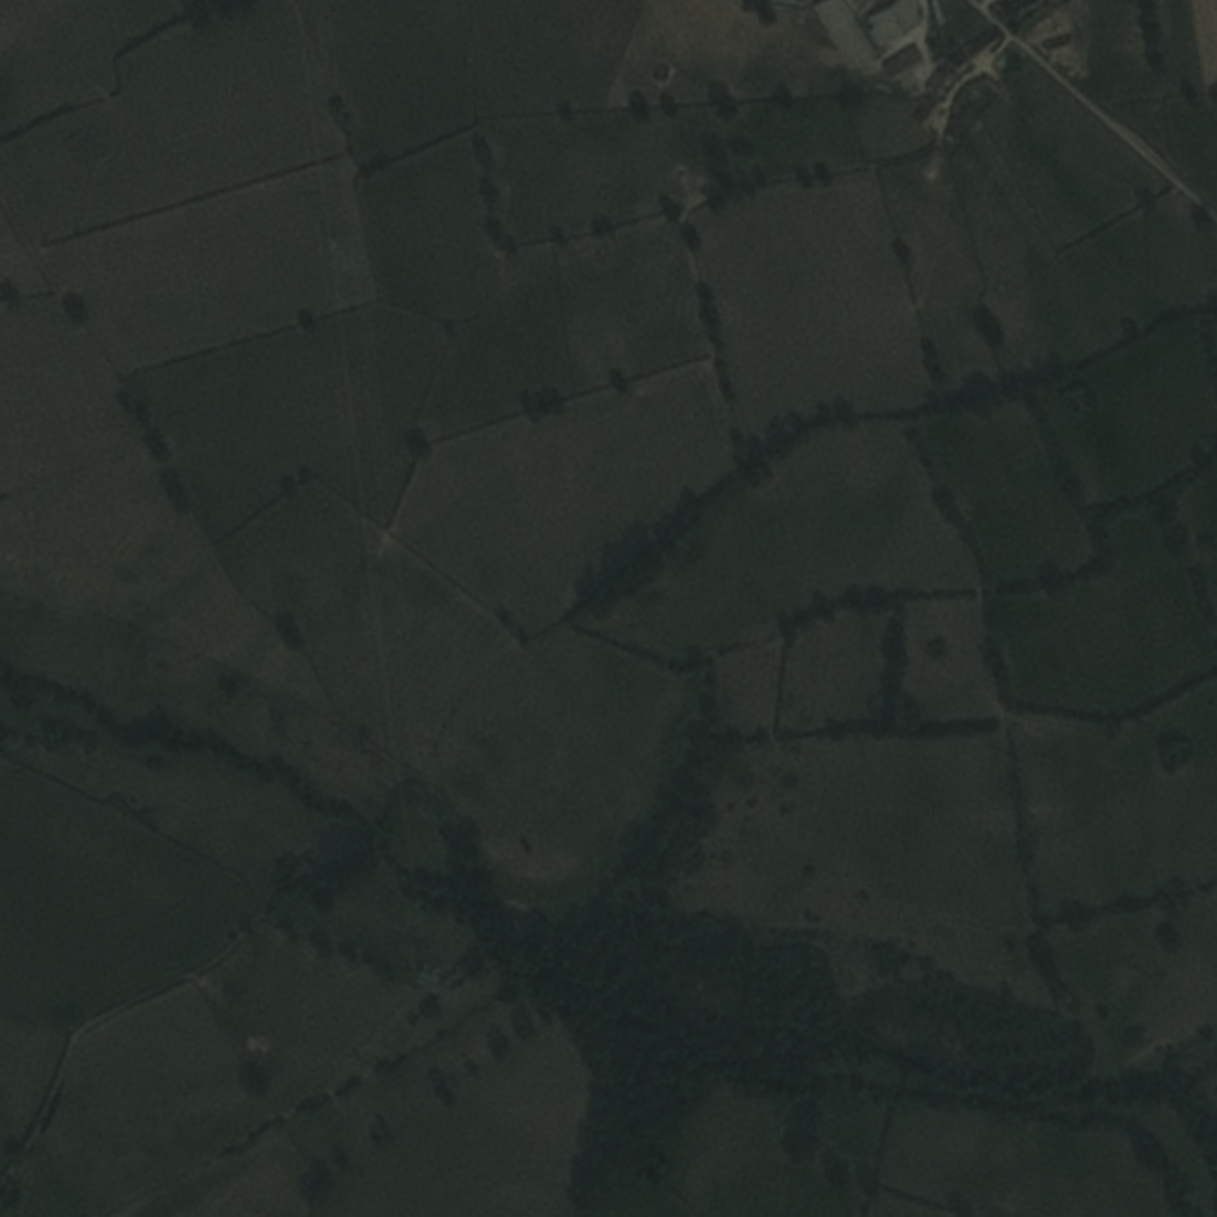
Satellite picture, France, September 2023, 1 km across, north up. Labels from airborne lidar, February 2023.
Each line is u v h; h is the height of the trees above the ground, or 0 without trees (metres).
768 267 0
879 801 0
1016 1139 0
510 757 0
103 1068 0
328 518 0
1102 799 0
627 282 0
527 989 11
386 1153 0
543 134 0
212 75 0
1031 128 0
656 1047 21
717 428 0
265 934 0
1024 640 0
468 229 0
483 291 0
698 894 0
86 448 0
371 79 0
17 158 0
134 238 0
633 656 9
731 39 0
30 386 0
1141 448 0
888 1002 0
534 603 0
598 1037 15
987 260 0
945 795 0
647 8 0
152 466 0
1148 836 0
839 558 0
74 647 0
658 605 0
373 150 0
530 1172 0
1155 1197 0
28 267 0
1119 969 0
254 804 0
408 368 0
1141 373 0
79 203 0
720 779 0
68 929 0
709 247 0
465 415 0
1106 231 0
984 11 0
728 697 0
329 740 0
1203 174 0
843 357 0
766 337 0
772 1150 0
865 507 0
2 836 0
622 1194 0
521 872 0
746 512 0
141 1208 0
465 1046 0
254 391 0
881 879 0
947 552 0
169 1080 0
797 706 0
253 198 0
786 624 10
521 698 0
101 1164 0
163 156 0
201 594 0
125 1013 0
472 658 0
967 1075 16
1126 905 12
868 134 0
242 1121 0
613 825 0
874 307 0
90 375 0
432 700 0
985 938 0
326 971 0
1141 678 0
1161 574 0
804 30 0
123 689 0
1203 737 0
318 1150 0
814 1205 0
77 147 0
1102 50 0
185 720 0
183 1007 0
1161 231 0
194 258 0
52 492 0
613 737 0
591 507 0
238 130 0
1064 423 0
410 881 12
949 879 0
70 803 0
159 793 0
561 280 0
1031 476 0
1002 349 0
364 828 12
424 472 0
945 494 9
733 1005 11
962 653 0
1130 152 0
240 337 0
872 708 7
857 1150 0
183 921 0
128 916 0
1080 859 0
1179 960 0
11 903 0
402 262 0
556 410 11
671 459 0
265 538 0
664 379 0
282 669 0
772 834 0
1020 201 0
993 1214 0
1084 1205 0
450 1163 0
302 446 0
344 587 0
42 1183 0
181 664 0
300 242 0
